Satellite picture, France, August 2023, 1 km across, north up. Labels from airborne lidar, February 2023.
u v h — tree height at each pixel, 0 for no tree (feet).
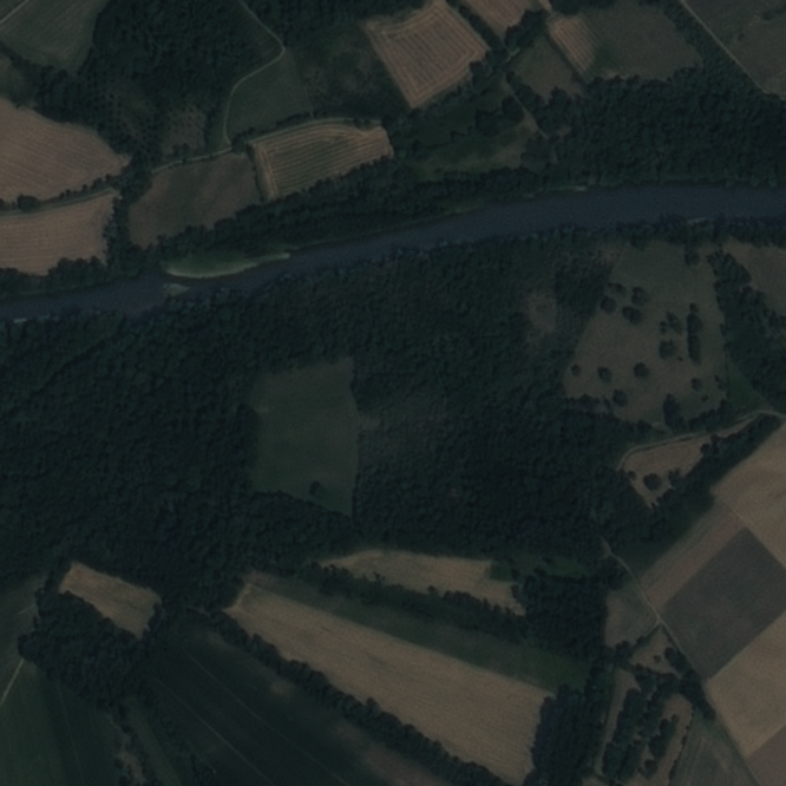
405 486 81
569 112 59
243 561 73
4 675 0
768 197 0
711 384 0
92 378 44
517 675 0
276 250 0
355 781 0
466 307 73
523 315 25
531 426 77
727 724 0
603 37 0
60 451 83
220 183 0
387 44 0
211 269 0
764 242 74
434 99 0
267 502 70
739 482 0
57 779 0
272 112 0
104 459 73
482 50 0
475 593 0
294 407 0
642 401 0
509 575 0
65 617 63
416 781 0
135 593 0
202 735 0
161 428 70
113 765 0
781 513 0
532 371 22
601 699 81
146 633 0
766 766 0
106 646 91
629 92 39
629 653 53
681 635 0
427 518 62
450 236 0
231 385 70
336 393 0
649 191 0
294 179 0
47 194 0
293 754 0
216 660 0
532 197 0
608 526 21
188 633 0
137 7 55
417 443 32
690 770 0
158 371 28
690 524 0
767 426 34
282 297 53
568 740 131
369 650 0
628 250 0
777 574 0
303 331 54
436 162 0
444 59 0
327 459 0
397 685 0
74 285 90
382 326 64
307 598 0
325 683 53
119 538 77
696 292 0
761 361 21
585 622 82
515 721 0
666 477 0
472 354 77
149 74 37
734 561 0
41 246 0
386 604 0
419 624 0
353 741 0
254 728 0
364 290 34
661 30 0
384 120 0
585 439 57
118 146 59
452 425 56
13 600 0
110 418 83
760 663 0
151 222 0
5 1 0
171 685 0
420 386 28
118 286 0
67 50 0
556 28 0
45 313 0
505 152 0
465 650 0
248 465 74
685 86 72
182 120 0
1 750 0
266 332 61
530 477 32
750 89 44
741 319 19
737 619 0
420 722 0
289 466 0
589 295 60
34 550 31
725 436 0
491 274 30
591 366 0
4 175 0
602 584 71
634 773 58
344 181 34
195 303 33
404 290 40
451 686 0
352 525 67
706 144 79
